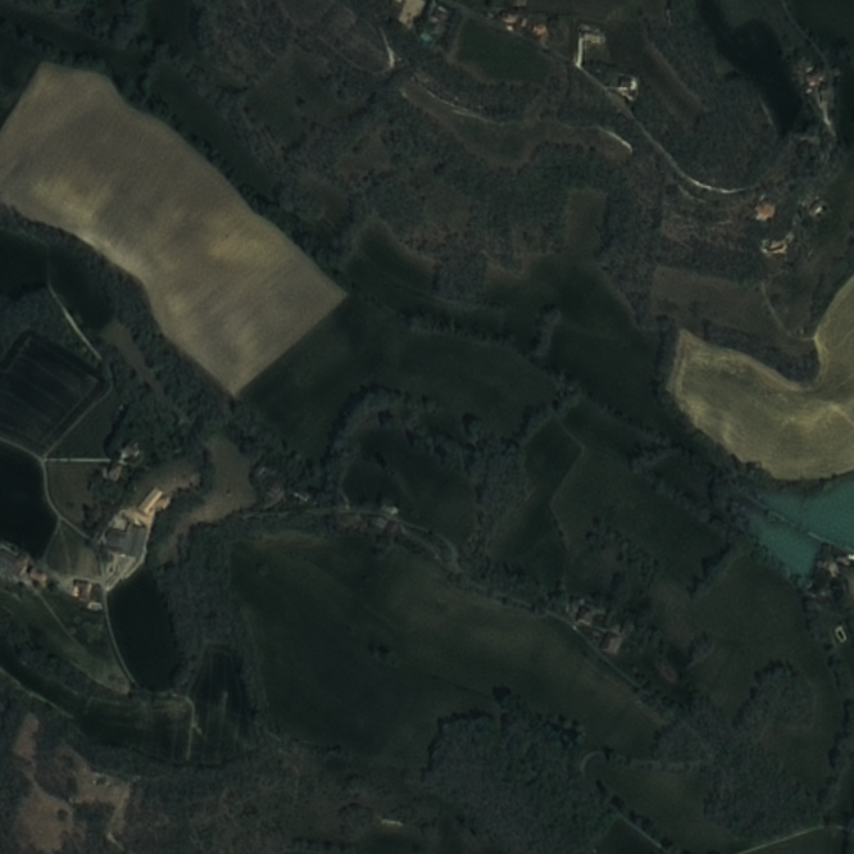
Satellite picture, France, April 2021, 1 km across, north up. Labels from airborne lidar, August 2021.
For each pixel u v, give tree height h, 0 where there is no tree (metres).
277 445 16
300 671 0
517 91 11
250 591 0
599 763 0
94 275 12
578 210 0
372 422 0
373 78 6
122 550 0
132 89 21
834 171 16
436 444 15
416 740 0
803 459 0
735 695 0
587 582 0
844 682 17
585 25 0
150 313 21
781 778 19
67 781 7
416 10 0
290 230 17
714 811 18
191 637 20
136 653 0
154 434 15
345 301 0
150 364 13
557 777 21
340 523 11
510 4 0
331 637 0
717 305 0
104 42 16
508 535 0
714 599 0
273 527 20
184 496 18
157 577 14
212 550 21
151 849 12
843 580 9
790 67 9
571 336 0
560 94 9
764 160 13
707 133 11
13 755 12
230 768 14
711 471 11
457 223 0
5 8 0
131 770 18
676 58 14
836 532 0
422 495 0
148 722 0
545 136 0
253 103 0
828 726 0
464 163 14
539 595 13
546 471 0
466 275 22
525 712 29
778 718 8
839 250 0
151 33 0
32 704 11
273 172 23
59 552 0
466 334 24
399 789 0
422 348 0
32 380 0
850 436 0
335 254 17
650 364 0
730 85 16
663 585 0
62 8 26
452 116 0
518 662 0
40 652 13
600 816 20
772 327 0
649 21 11
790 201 15
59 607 0
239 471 0
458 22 12
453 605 0
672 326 20
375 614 0
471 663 0
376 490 0
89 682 15
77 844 13
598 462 0
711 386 0
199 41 23
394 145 14
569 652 0
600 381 0
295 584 0
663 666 0
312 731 0
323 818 0
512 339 13
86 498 0
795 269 17
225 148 0
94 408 0
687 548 0
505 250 19
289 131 0
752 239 13
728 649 0
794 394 0
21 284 0
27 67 0
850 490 0
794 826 19
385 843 0
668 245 11
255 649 22
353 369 0
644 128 10
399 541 7
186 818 10
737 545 19
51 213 0
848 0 0
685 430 19
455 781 15
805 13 0
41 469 0
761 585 0
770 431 0
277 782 13
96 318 0
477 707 0
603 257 17
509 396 0
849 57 22
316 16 0
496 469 23
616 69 12
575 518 0
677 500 12
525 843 16
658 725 0
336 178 18
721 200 8
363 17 6
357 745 0
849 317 0
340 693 0
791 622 0
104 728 0
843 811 0
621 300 0
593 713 0
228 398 0
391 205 23
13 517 0
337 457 10
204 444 22
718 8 0
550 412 17
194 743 0
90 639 0
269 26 10
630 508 0
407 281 0
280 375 0
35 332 14
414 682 0
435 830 11
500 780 21
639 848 0
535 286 0
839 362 0
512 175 12
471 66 0
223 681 0
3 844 19
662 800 0
